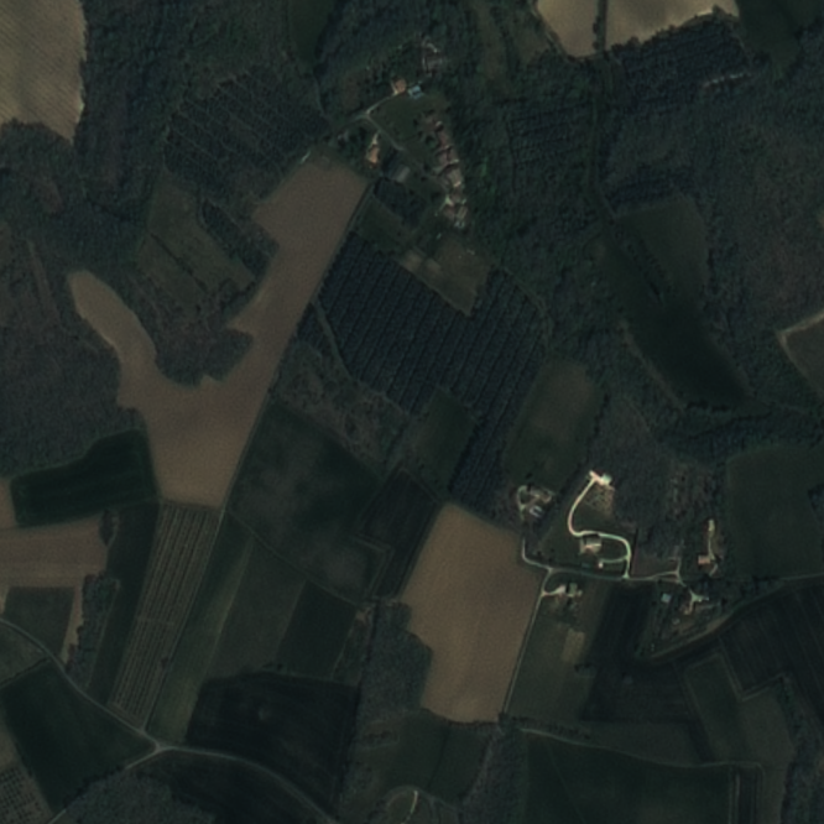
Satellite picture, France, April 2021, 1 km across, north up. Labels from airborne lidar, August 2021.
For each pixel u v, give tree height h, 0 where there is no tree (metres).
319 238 0
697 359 0
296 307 0
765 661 0
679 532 13
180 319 7
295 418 0
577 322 19
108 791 19
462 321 13
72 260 13
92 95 15
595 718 0
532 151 15
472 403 14
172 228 0
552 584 0
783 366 6
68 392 15
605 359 14
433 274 0
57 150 19
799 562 0
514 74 6
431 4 18
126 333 0
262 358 0
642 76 12
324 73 13
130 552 0
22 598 0
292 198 0
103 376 16
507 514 12
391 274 16
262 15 13
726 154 11
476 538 0
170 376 11
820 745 16
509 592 0
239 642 0
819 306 11
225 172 12
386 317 18
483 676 0
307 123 10
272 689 0
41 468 12
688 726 0
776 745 0
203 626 0
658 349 0
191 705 0
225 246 6
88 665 15
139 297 11
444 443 0
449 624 0
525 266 18
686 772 0
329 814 0
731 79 8
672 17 0
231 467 0
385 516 0
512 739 11
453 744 0
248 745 0
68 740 0
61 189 12
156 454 0
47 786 0
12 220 10
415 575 0
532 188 19
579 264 17
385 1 22
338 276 15
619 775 0
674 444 7
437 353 15
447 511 0
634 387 13
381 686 17
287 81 15
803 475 0
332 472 0
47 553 0
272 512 0
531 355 13
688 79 13
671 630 13
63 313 9
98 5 17
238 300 12
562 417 0
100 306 0
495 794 9
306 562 0
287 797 0
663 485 12
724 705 0
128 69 8
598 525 0
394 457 15
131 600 0
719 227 9
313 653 0
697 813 0
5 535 0
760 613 0
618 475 15
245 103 13
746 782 0
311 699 0
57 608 0
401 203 12
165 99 12
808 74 21
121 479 0
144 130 10
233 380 0
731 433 8
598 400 0
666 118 15
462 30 18
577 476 9
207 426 0
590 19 0
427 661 17
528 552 10
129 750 0
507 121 15
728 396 0
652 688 0
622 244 8
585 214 9
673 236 0
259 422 0
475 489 14
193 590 0
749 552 0
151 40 8
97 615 14
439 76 13
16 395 13
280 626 0
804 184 11
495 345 15
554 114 14
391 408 11
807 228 10
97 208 20
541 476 0
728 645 0
